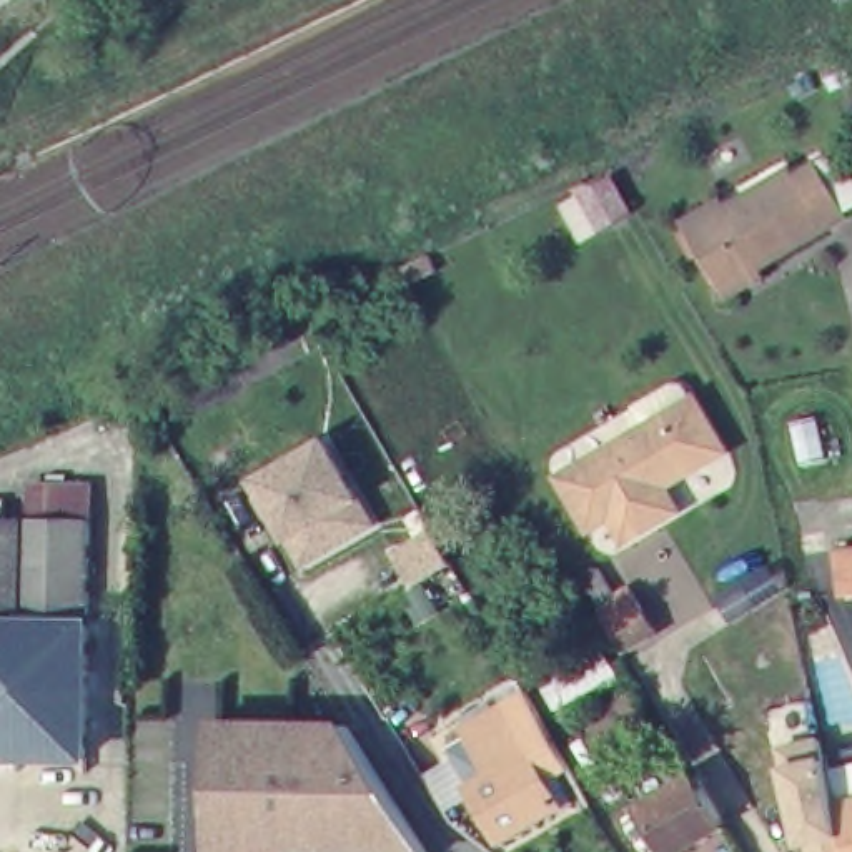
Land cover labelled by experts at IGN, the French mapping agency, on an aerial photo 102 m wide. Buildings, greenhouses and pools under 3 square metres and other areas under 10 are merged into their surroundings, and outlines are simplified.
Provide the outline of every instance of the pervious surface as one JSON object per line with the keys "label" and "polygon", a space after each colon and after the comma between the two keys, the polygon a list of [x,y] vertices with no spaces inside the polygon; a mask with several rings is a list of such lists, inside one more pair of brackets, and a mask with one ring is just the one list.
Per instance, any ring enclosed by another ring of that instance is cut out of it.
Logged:
{"label": "pervious surface", "polygon": [[346,626],[349,609],[343,602],[356,592],[379,596],[403,589],[393,569],[369,579],[363,562],[353,559],[310,582],[303,592],[296,592],[293,569],[286,549],[273,542],[270,529],[260,523],[250,499],[240,503],[240,523],[223,533],[240,562],[253,572],[273,609],[283,616],[300,652],[306,652],[293,666],[296,676],[310,679],[310,692],[343,696],[343,719],[336,726],[349,732],[349,739],[356,742],[369,772],[379,782],[379,799],[393,809],[393,815],[403,822],[403,829],[423,852],[453,852],[456,832],[446,829],[439,812],[423,782],[426,772],[436,765],[436,755],[426,746],[406,732],[406,726],[386,726],[379,719],[379,709],[359,692],[363,682],[343,662],[343,649],[326,646],[323,632],[329,626]]}
{"label": "pervious surface", "polygon": [[270,143],[280,143],[313,126],[323,116],[336,116],[339,110],[363,103],[389,83],[429,73],[449,63],[453,57],[489,43],[493,37],[566,0],[353,0],[346,7],[313,17],[313,23],[300,30],[260,43],[260,50],[230,57],[216,70],[186,80],[190,90],[180,97],[173,90],[150,97],[153,107],[136,120],[116,120],[90,136],[83,136],[73,126],[63,140],[53,143],[57,153],[43,160],[17,160],[13,173],[0,170],[0,270],[7,270],[13,260],[40,246],[67,243],[80,230],[130,210],[146,196],[186,186],[216,166],[236,163]]}
{"label": "pervious surface", "polygon": [[736,839],[739,852],[799,852],[785,835],[769,839],[772,825],[765,825],[749,809],[755,792],[749,772],[732,755],[732,726],[722,722],[726,709],[719,706],[709,712],[699,699],[682,699],[682,672],[689,649],[726,626],[722,612],[712,606],[709,612],[659,632],[646,646],[646,652],[639,659],[636,656],[622,669],[632,676],[639,689],[639,706],[646,709],[646,719],[656,729],[666,729],[679,746],[689,775],[692,789],[706,789],[706,795],[719,809],[719,822]]}

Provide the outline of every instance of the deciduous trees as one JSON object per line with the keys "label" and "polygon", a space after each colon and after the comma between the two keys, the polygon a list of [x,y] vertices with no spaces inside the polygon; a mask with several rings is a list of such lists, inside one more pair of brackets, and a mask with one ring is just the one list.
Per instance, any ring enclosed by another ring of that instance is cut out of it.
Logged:
{"label": "deciduous trees", "polygon": [[416,513],[426,529],[443,562],[469,592],[469,602],[446,599],[443,612],[463,626],[466,649],[493,649],[493,659],[506,679],[516,679],[526,696],[529,689],[542,692],[542,686],[549,682],[582,679],[599,662],[612,666],[612,679],[606,686],[552,709],[556,722],[572,739],[579,739],[589,722],[599,722],[609,712],[612,699],[632,696],[636,702],[629,722],[619,722],[616,732],[599,739],[589,749],[592,762],[579,765],[576,769],[579,779],[599,799],[609,789],[639,789],[646,779],[656,775],[689,775],[679,746],[666,729],[656,729],[646,719],[646,709],[639,706],[639,689],[632,676],[622,669],[636,656],[616,639],[616,629],[606,622],[602,606],[592,596],[579,602],[576,582],[556,576],[556,556],[536,542],[533,529],[526,529],[513,516],[503,516],[496,523],[486,496],[479,489],[469,489],[469,479],[449,486],[443,479],[423,479],[419,493],[426,496],[426,503]]}
{"label": "deciduous trees", "polygon": [[536,253],[542,273],[549,280],[562,276],[572,263],[576,240],[566,230],[539,243]]}
{"label": "deciduous trees", "polygon": [[413,206],[419,203],[413,190],[406,190],[403,196],[399,196],[399,203],[396,203],[396,223],[393,223],[393,230],[396,230],[396,233],[409,233],[409,230],[413,230]]}
{"label": "deciduous trees", "polygon": [[699,156],[699,163],[709,163],[716,156],[729,136],[732,123],[699,120],[689,126],[692,153]]}
{"label": "deciduous trees", "polygon": [[596,835],[596,825],[586,812],[566,819],[556,832],[552,852],[612,852]]}
{"label": "deciduous trees", "polygon": [[423,712],[433,729],[449,712],[443,702],[449,692],[439,689],[436,679],[426,672],[423,656],[409,656],[409,672],[396,669],[396,642],[416,642],[416,629],[406,612],[403,589],[379,596],[356,592],[343,602],[349,609],[346,626],[329,626],[323,632],[326,646],[343,649],[343,662],[363,682],[359,692],[379,709],[389,706],[396,712]]}
{"label": "deciduous trees", "polygon": [[829,160],[829,180],[852,180],[852,113],[842,120],[835,140],[822,150]]}
{"label": "deciduous trees", "polygon": [[163,47],[153,40],[153,20],[143,13],[143,0],[50,0],[53,23],[43,27],[43,33],[37,33],[33,40],[33,67],[40,67],[47,80],[100,80],[113,73],[130,57],[130,50],[140,53],[140,60],[153,60]]}
{"label": "deciduous trees", "polygon": [[369,346],[376,339],[416,339],[423,333],[423,310],[413,303],[406,283],[393,273],[373,280],[356,273],[343,293],[329,283],[329,276],[316,273],[310,273],[306,280],[286,276],[276,290],[253,280],[250,310],[236,320],[230,316],[226,300],[213,293],[203,296],[196,310],[186,310],[186,303],[173,303],[166,320],[156,323],[156,346],[113,359],[116,376],[100,383],[97,406],[83,403],[83,419],[126,429],[133,453],[153,446],[150,423],[160,419],[163,406],[176,403],[183,393],[196,393],[200,386],[213,386],[220,373],[240,376],[243,366],[263,359],[280,343],[280,329],[286,320],[303,320],[310,339],[323,339],[326,356],[333,359],[333,373],[339,376],[359,376],[369,366]]}

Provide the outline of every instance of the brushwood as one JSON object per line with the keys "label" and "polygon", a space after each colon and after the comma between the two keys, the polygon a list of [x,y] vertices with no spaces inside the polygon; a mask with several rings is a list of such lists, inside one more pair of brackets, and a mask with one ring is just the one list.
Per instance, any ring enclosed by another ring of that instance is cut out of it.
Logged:
{"label": "brushwood", "polygon": [[230,569],[230,582],[246,609],[250,626],[280,666],[293,666],[306,652],[300,652],[283,616],[273,609],[253,572],[240,562]]}
{"label": "brushwood", "polygon": [[236,689],[236,676],[226,676],[220,682],[216,702],[223,719],[233,719],[250,696]]}
{"label": "brushwood", "polygon": [[173,676],[163,702],[136,709],[136,692],[146,686],[146,679],[140,676],[136,639],[143,542],[150,539],[153,546],[163,546],[170,552],[170,493],[160,483],[163,456],[153,453],[153,446],[133,453],[133,536],[126,542],[130,582],[123,592],[107,586],[103,602],[103,612],[110,616],[120,622],[116,739],[126,752],[123,789],[133,779],[140,779],[136,726],[150,719],[170,719],[183,706],[186,679]]}

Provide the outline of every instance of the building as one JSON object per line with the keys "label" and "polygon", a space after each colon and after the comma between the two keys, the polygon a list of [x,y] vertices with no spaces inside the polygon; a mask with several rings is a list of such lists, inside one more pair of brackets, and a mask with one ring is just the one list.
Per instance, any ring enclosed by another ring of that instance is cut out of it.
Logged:
{"label": "building", "polygon": [[815,423],[799,419],[789,426],[789,436],[795,459],[802,466],[815,466],[819,456],[839,456],[839,439],[819,446]]}
{"label": "building", "polygon": [[852,536],[849,546],[829,559],[832,596],[852,599]]}
{"label": "building", "polygon": [[0,762],[47,765],[57,775],[73,759],[83,759],[87,639],[97,636],[97,629],[110,616],[103,612],[103,602],[90,602],[83,586],[90,523],[87,483],[67,483],[63,466],[40,469],[27,486],[13,493],[23,503],[23,519],[0,523]]}
{"label": "building", "polygon": [[646,622],[632,596],[632,579],[606,586],[599,572],[592,572],[592,596],[602,606],[606,622],[616,629],[616,639],[636,656],[639,659],[646,652],[646,646],[659,632]]}
{"label": "building", "polygon": [[825,73],[825,90],[839,90],[849,83],[845,73]]}
{"label": "building", "polygon": [[606,226],[622,230],[629,223],[632,213],[626,210],[612,180],[596,180],[569,190],[569,196],[559,203],[566,230],[576,240],[589,240]]}
{"label": "building", "polygon": [[449,712],[433,729],[426,746],[436,755],[436,765],[426,772],[423,782],[439,812],[463,805],[479,825],[479,832],[499,845],[496,852],[552,852],[556,832],[539,835],[536,822],[546,819],[556,805],[542,782],[549,772],[556,775],[562,765],[539,719],[533,716],[526,696],[516,679],[506,679]]}
{"label": "building", "polygon": [[719,809],[706,795],[706,789],[692,789],[689,775],[656,775],[646,779],[639,789],[622,815],[632,819],[632,825],[652,852],[739,852],[736,839],[719,822]]}
{"label": "building", "polygon": [[273,542],[286,549],[293,569],[310,569],[320,559],[373,536],[369,513],[346,489],[336,463],[329,459],[320,439],[306,439],[290,453],[270,459],[266,466],[246,473],[243,489],[250,499],[260,523],[270,529]]}
{"label": "building", "polygon": [[349,732],[336,726],[310,719],[233,719],[223,719],[200,722],[193,795],[196,852],[423,852],[403,829],[403,822],[393,815],[393,809],[379,799],[379,782],[369,772],[356,742],[349,739]]}
{"label": "building", "polygon": [[819,742],[812,736],[769,742],[769,779],[775,789],[782,815],[779,822],[785,825],[785,835],[799,852],[852,852],[852,762],[842,769],[825,769],[819,762]]}
{"label": "building", "polygon": [[749,562],[742,576],[719,582],[709,596],[712,606],[722,612],[726,626],[736,626],[742,612],[749,612],[769,596],[785,596],[785,576],[769,576],[759,562]]}
{"label": "building", "polygon": [[619,549],[629,549],[639,539],[666,529],[679,519],[679,509],[669,499],[669,486],[686,483],[696,466],[712,463],[726,449],[699,399],[686,393],[679,383],[666,383],[646,393],[622,413],[632,429],[572,459],[566,469],[549,469],[549,486],[559,506],[566,509],[576,533],[586,536],[596,526],[602,526]]}
{"label": "building", "polygon": [[419,276],[433,273],[426,253],[413,260]]}
{"label": "building", "polygon": [[429,616],[436,616],[433,596],[419,582],[429,579],[443,562],[426,529],[413,536],[406,533],[403,542],[386,546],[393,569],[403,589],[406,612],[416,629]]}
{"label": "building", "polygon": [[769,163],[749,180],[736,183],[736,193],[729,200],[706,200],[699,210],[689,210],[676,220],[676,246],[686,260],[696,263],[712,300],[752,290],[759,270],[769,260],[775,260],[782,250],[819,230],[839,226],[842,213],[852,206],[852,180],[829,180],[829,160],[822,150],[809,153],[805,163]]}
{"label": "building", "polygon": [[552,709],[606,686],[612,679],[612,666],[599,662],[582,679],[549,682],[542,686],[542,692],[546,706]]}
{"label": "building", "polygon": [[632,696],[612,699],[609,712],[599,722],[589,722],[579,739],[572,739],[569,749],[579,765],[592,762],[589,749],[599,739],[616,732],[619,722],[629,722],[636,702]]}

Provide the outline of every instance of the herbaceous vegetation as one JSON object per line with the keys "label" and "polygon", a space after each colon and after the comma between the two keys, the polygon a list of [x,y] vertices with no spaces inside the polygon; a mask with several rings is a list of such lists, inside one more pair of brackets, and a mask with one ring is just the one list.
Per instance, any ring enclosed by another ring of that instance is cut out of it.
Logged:
{"label": "herbaceous vegetation", "polygon": [[652,852],[632,825],[632,819],[622,815],[639,789],[609,789],[599,799],[579,779],[576,785],[586,792],[586,812],[596,825],[596,835],[612,852]]}
{"label": "herbaceous vegetation", "polygon": [[539,719],[562,765],[572,772],[576,769],[579,765],[569,749],[572,739],[556,722],[552,709],[546,706],[542,692],[529,689],[526,696],[533,716]]}
{"label": "herbaceous vegetation", "polygon": [[436,679],[439,689],[449,692],[443,702],[449,712],[506,679],[493,659],[493,649],[466,649],[463,626],[443,612],[446,599],[469,602],[469,592],[443,562],[429,579],[419,582],[433,596],[436,616],[429,616],[416,629],[416,642],[396,642],[396,669],[409,672],[409,656],[423,656],[426,672]]}
{"label": "herbaceous vegetation", "polygon": [[[825,73],[845,73],[849,83],[839,90],[825,90]],[[173,303],[186,303],[186,310],[196,310],[203,296],[213,293],[226,300],[230,316],[236,320],[250,310],[253,280],[276,290],[286,276],[306,280],[310,273],[316,273],[329,276],[329,283],[343,293],[356,273],[373,280],[393,273],[406,283],[413,303],[423,310],[423,333],[416,339],[376,339],[369,346],[369,366],[359,376],[339,376],[333,373],[333,359],[326,356],[323,339],[310,339],[303,320],[286,320],[280,329],[280,343],[263,359],[243,366],[240,376],[220,373],[213,386],[200,386],[196,393],[183,393],[176,403],[163,406],[160,419],[150,423],[153,446],[153,453],[163,456],[160,483],[170,493],[170,552],[163,546],[153,546],[150,539],[143,542],[136,639],[140,676],[146,679],[146,686],[136,692],[136,709],[163,702],[173,676],[186,679],[220,682],[226,676],[236,676],[236,689],[250,696],[233,719],[310,719],[336,726],[343,719],[343,696],[310,692],[310,679],[296,676],[293,666],[280,666],[250,626],[246,609],[230,582],[230,569],[240,562],[223,533],[240,523],[240,503],[250,499],[243,489],[246,473],[266,466],[270,459],[290,453],[306,439],[320,439],[329,459],[336,463],[346,489],[369,513],[373,536],[320,559],[310,569],[293,569],[296,592],[303,592],[310,582],[353,559],[363,562],[369,579],[393,569],[386,546],[403,542],[406,533],[413,536],[426,529],[416,513],[426,503],[426,496],[419,493],[423,479],[443,479],[449,486],[469,479],[469,489],[479,489],[486,496],[496,523],[503,516],[513,516],[526,529],[533,529],[536,542],[556,556],[556,576],[576,582],[579,602],[592,596],[592,572],[592,562],[602,552],[592,549],[586,536],[576,533],[566,509],[559,506],[549,486],[549,469],[549,456],[556,449],[622,413],[646,393],[666,383],[679,383],[686,393],[699,399],[726,449],[736,466],[732,486],[696,509],[686,506],[686,516],[679,519],[666,529],[672,533],[672,546],[689,562],[692,576],[709,596],[719,582],[742,576],[749,562],[759,562],[769,576],[785,576],[785,596],[769,596],[749,612],[742,612],[736,626],[726,626],[689,649],[682,672],[682,699],[699,699],[709,712],[719,706],[726,709],[722,722],[732,726],[732,755],[749,772],[755,792],[749,809],[765,825],[772,825],[769,839],[785,835],[785,825],[779,822],[782,815],[775,789],[769,779],[769,742],[769,716],[779,706],[809,706],[809,689],[795,662],[799,652],[789,606],[809,602],[812,582],[805,569],[802,529],[792,506],[805,499],[852,499],[852,320],[839,266],[832,266],[829,273],[799,270],[792,276],[772,276],[765,290],[752,290],[712,300],[696,263],[686,260],[676,246],[676,220],[689,210],[699,210],[706,200],[729,200],[736,193],[736,183],[749,180],[769,163],[805,163],[809,153],[822,150],[835,140],[842,120],[852,113],[852,0],[566,0],[493,37],[489,43],[453,57],[449,63],[429,73],[389,83],[363,103],[339,110],[336,116],[323,116],[313,126],[280,143],[270,143],[236,163],[216,166],[186,186],[146,196],[130,210],[80,230],[67,243],[40,246],[13,260],[7,270],[0,270],[0,456],[57,436],[60,429],[83,419],[83,403],[97,406],[100,383],[116,376],[113,359],[156,346],[156,323],[166,320]],[[699,156],[692,153],[689,126],[699,120],[732,123],[729,136],[746,143],[749,160],[742,166],[722,166],[716,156],[709,163],[699,163]],[[606,226],[589,240],[576,240],[572,263],[562,276],[549,280],[542,273],[536,253],[539,243],[566,230],[559,203],[569,196],[569,190],[596,180],[612,180],[626,210],[632,213],[629,223],[622,230]],[[413,190],[419,203],[413,206],[413,230],[409,230],[409,233],[396,233],[396,230],[393,230],[393,223],[396,223],[396,203],[399,203],[399,196],[403,196],[406,190]],[[419,276],[413,260],[426,253],[433,273]],[[839,456],[819,456],[815,466],[802,466],[795,459],[789,436],[789,426],[799,419],[815,423],[819,446],[839,439]]]}
{"label": "herbaceous vegetation", "polygon": [[53,143],[63,140],[73,126],[83,136],[90,136],[116,120],[136,120],[153,107],[150,97],[173,90],[180,97],[190,90],[186,80],[216,70],[230,57],[260,50],[260,43],[300,30],[313,23],[313,17],[346,7],[353,0],[143,0],[143,13],[153,20],[153,40],[163,47],[153,60],[140,60],[140,53],[130,50],[130,57],[113,73],[100,80],[47,80],[40,67],[33,67],[33,40],[37,33],[43,33],[43,27],[53,23],[50,0],[0,0],[0,170],[13,173],[17,160],[43,160],[57,153]]}
{"label": "herbaceous vegetation", "polygon": [[163,842],[173,842],[170,719],[150,719],[136,726],[140,779],[133,779],[123,789],[126,825],[146,829],[146,822],[163,822]]}

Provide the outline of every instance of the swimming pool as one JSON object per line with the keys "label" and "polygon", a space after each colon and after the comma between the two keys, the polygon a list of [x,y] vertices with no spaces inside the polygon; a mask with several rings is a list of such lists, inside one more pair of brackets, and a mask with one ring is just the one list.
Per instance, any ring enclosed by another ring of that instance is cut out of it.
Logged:
{"label": "swimming pool", "polygon": [[829,722],[839,732],[852,732],[852,669],[845,662],[845,652],[815,666]]}

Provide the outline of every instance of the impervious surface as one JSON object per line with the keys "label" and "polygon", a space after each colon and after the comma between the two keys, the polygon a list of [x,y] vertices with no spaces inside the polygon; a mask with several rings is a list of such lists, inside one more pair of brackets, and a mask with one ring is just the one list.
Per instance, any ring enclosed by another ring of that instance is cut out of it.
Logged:
{"label": "impervious surface", "polygon": [[576,769],[572,772],[562,765],[556,775],[549,772],[542,782],[556,805],[546,819],[536,822],[539,835],[556,832],[566,819],[586,812],[586,792],[576,785],[579,779]]}
{"label": "impervious surface", "polygon": [[456,832],[453,852],[496,852],[499,845],[479,832],[479,825],[463,805],[439,812],[446,829]]}
{"label": "impervious surface", "polygon": [[749,160],[746,143],[729,136],[716,156],[722,166],[742,166]]}
{"label": "impervious surface", "polygon": [[849,546],[852,536],[852,499],[805,499],[792,506],[802,529],[805,569],[812,582],[809,602],[789,606],[799,652],[795,662],[809,689],[809,706],[779,706],[769,716],[769,742],[812,736],[819,742],[819,762],[825,769],[842,769],[852,762],[852,732],[839,732],[829,722],[815,666],[845,652],[845,662],[852,669],[852,599],[832,596],[829,559]]}
{"label": "impervious surface", "polygon": [[852,320],[852,206],[842,213],[839,226],[819,230],[782,250],[775,260],[769,260],[759,270],[752,290],[765,290],[772,276],[792,276],[799,270],[829,273],[832,266],[839,266]]}
{"label": "impervious surface", "polygon": [[87,639],[83,759],[73,759],[57,775],[47,765],[0,762],[0,852],[196,852],[193,795],[200,722],[223,719],[216,702],[220,682],[186,679],[183,706],[170,719],[173,842],[163,842],[163,822],[146,822],[146,829],[126,825],[123,789],[126,752],[116,739],[120,622],[110,616],[97,629],[97,636]]}
{"label": "impervious surface", "polygon": [[696,509],[732,486],[736,466],[726,449],[712,463],[696,466],[686,483],[669,486],[669,499],[679,509],[679,519],[686,516],[686,506]]}
{"label": "impervious surface", "polygon": [[107,586],[123,592],[130,582],[126,542],[133,536],[133,453],[126,429],[83,419],[60,429],[57,436],[0,456],[0,523],[23,519],[23,503],[13,493],[27,486],[40,469],[63,466],[67,483],[87,483],[90,523],[83,586],[90,602],[103,602]]}
{"label": "impervious surface", "polygon": [[549,456],[549,469],[566,469],[572,459],[632,429],[622,413],[556,449]]}
{"label": "impervious surface", "polygon": [[672,546],[672,533],[666,529],[639,539],[629,549],[619,549],[602,526],[596,526],[586,536],[592,549],[602,552],[592,562],[592,572],[599,572],[606,586],[632,579],[632,596],[646,622],[659,632],[709,612],[712,606],[709,596],[692,576],[689,562]]}
{"label": "impervious surface", "polygon": [[379,709],[379,719],[386,726],[406,726],[406,732],[426,746],[433,729],[423,712],[396,712],[389,706]]}

